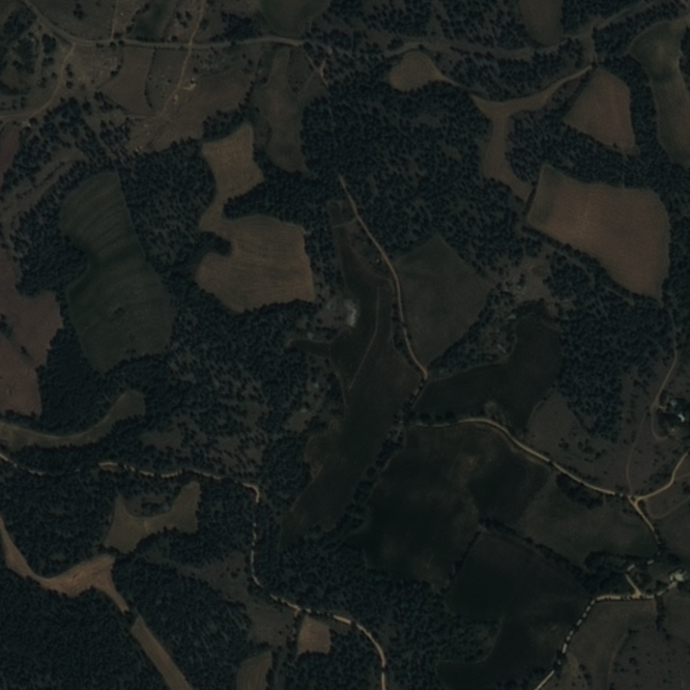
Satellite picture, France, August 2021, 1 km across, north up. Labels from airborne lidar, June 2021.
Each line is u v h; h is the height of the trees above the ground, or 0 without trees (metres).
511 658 0
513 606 0
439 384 0
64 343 12
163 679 15
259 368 10
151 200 9
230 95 0
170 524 0
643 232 0
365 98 14
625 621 0
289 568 14
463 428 0
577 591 0
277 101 0
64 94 0
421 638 13
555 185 0
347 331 0
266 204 16
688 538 0
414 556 0
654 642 0
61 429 17
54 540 15
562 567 11
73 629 18
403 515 0
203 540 7
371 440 0
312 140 14
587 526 0
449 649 8
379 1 0
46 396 9
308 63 0
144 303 0
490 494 0
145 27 0
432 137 11
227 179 0
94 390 11
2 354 0
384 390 0
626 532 0
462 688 0
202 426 9
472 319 0
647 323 12
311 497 0
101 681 10
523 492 0
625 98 0
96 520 15
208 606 12
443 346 0
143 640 0
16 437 0
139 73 0
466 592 0
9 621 13
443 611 8
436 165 9
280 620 0
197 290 14
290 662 9
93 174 12
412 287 0
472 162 8
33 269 13
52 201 10
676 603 0
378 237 13
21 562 0
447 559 0
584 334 17
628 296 10
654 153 18
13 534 12
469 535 0
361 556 13
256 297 0
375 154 12
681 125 0
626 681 0
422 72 0
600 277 16
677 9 12
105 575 0
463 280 0
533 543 12
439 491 0
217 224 0
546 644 0
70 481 13
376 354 0
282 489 11
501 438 0
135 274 0
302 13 0
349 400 0
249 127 0
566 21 10
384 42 0
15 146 0
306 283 0
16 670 9
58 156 0
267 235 0
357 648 12
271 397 10
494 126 0
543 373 0
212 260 0
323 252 14
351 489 0
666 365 6
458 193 14
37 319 0
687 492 9
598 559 16
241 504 13
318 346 0
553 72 11
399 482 0
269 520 8
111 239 0
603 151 11
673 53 0
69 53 0
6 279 0
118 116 0
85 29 0
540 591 0
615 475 0
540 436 0
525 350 0
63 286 12
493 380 0
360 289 0
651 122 15
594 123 0
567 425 0
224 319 13
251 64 8
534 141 10
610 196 0
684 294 12
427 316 0
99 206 0
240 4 0
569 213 0
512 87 12
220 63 0
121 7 0
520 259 8
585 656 0
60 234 12
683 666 0
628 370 9
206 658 14
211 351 10
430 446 0
